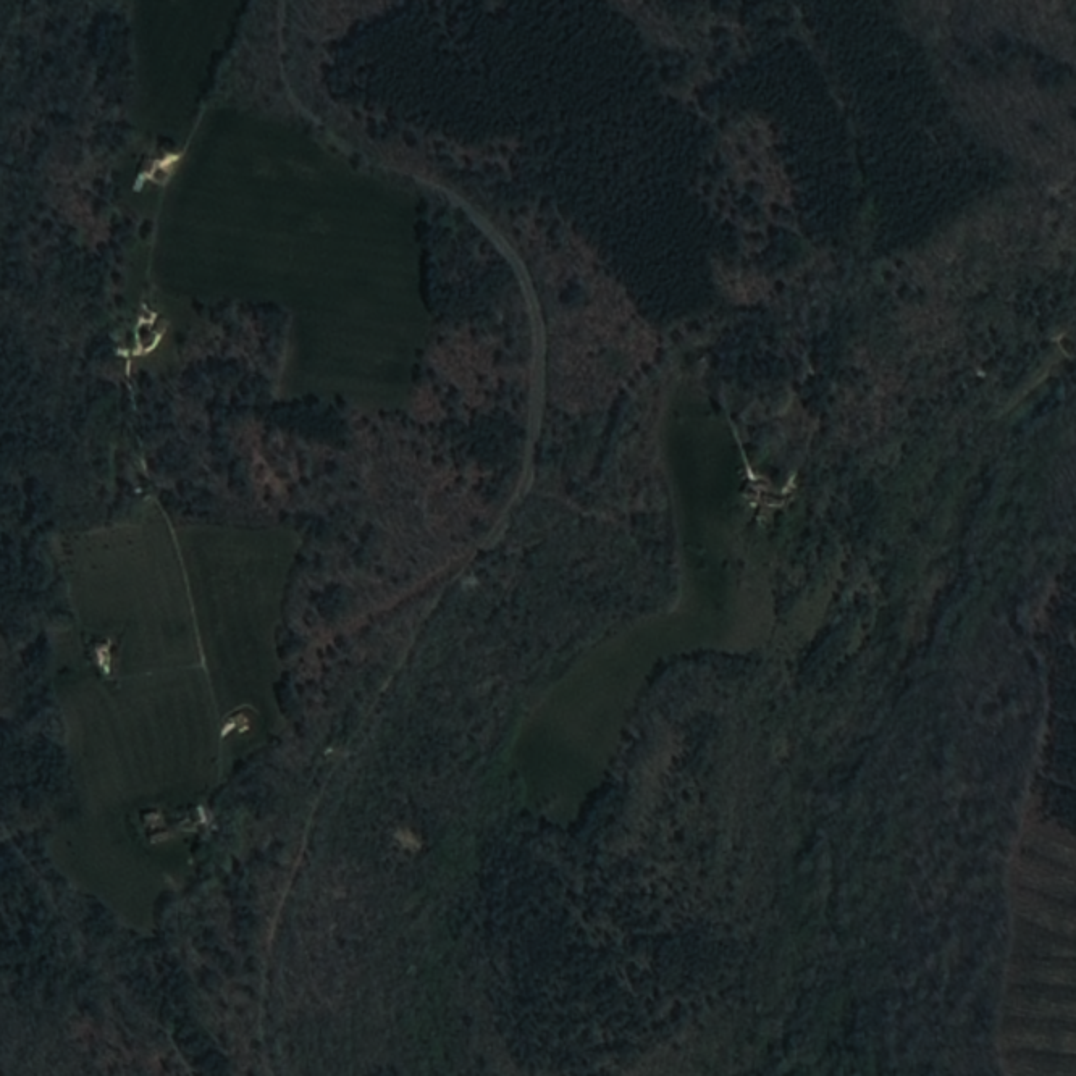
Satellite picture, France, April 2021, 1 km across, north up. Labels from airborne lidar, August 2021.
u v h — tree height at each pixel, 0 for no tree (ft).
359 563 57
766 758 68
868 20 73
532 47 77
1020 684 31
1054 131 53
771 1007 57
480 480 21
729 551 0
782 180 24
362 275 0
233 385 87
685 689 44
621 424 66
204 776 0
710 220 62
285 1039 68
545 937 52
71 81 56
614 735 0
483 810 73
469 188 53
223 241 0
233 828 64
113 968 53
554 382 28
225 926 41
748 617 0
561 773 0
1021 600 27
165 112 0
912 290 34
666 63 75
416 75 73
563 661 28
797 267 79
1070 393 66
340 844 53
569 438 25
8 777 71
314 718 39
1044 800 24
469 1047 61
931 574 53
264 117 48
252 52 44
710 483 0
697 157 72
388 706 54
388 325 0
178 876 0
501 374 27
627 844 42
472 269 43
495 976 38
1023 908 0
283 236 0
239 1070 41
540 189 64
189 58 0
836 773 31
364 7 43
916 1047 81
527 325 53
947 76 73
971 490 69
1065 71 61
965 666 61
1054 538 57
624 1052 62
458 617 69
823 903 66
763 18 75
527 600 41
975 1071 57
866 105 73
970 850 51
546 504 40
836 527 74
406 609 40
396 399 0
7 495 48
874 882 44
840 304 52
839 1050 55
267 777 52
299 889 64
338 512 39
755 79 73
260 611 0
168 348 0
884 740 57
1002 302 72
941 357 40
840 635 58
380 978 43
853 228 67
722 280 26
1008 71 84
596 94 72
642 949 60
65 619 41
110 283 36
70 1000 58
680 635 0
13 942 63
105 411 59
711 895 44
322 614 60
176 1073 48
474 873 56
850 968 32
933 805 40
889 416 57
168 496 29
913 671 55
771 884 48
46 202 29
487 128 74
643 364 25
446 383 31
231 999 46
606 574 38
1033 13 51
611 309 17
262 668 0
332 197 0
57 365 42
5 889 81
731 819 56
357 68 68
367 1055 56
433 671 49
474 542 21
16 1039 49
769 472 30
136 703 0
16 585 71
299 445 37
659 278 76
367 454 18
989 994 49
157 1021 51
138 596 0
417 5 65
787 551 35
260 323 59
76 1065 56
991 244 58
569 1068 52
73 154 37
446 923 65
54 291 49
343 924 60
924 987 55
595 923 53
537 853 59
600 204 70
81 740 0
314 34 40
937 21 60
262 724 0
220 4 0
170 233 0
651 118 66
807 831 46
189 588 0
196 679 0
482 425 44
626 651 0
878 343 48
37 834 22
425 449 24
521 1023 49
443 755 66
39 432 35
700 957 83
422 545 43
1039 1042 0
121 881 0
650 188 60
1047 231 70
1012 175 88
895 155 66
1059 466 61
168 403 31
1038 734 43
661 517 49
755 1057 47
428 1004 66
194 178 0
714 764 40
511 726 52
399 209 0
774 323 44
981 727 43
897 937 42
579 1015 41
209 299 0
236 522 29
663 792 40
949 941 54
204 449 46
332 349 0
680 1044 55
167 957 76
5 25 37
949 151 76
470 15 76
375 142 56
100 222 58
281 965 70
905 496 71
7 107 33
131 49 57
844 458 44
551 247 21
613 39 86
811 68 72
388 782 45
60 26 32
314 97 50
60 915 58
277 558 0
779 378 46
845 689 56
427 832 72
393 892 53
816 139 75
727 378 68
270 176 0
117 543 0
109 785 0
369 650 50
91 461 37
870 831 58
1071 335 78
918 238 70
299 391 0
